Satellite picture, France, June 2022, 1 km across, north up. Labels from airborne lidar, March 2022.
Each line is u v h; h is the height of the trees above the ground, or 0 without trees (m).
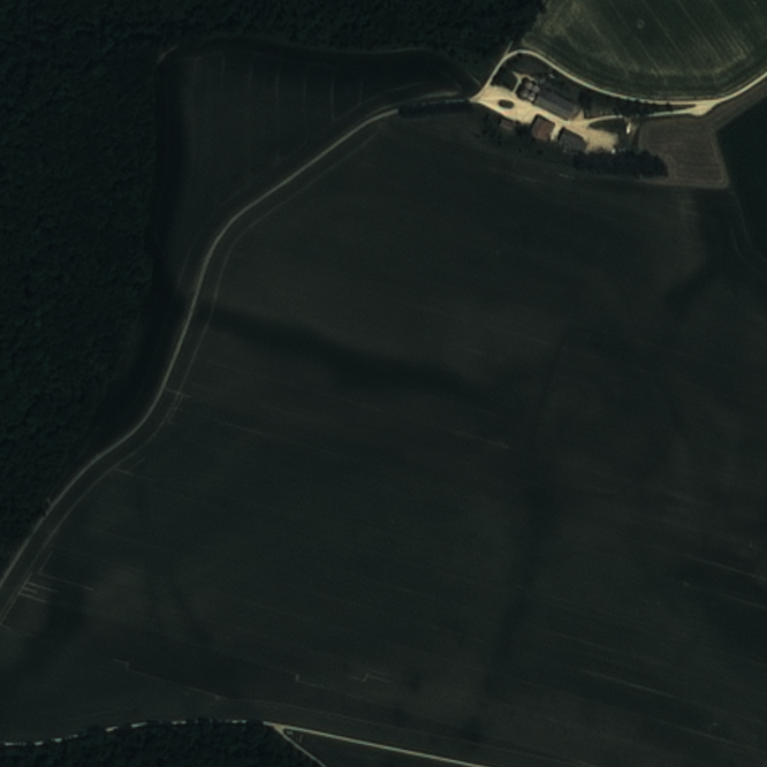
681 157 0
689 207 0
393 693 0
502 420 0
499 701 0
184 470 0
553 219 0
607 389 0
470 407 0
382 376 0
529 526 0
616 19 0
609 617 0
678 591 0
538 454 0
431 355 0
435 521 0
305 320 0
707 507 0
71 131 22
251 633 0
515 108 0
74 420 21
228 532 0
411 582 0
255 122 0
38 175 26
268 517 0
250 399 0
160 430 0
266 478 0
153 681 0
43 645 0
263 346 0
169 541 0
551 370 0
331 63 0
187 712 0
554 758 0
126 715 0
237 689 0
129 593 0
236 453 0
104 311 21
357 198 0
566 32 0
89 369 22
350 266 0
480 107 0
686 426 0
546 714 0
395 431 0
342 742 0
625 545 0
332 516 0
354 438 0
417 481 0
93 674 0
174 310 0
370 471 0
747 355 0
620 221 0
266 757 27
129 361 0
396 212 0
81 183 24
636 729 0
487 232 0
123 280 24
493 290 0
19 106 23
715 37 0
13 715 0
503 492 0
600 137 0
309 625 0
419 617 0
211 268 0
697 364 0
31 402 15
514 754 0
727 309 0
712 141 0
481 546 0
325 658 0
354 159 0
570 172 0
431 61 0
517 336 0
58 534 0
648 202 0
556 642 0
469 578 0
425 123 0
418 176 0
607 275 0
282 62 0
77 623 0
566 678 0
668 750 0
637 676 0
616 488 0
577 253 0
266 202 0
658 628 0
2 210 23
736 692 0
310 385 0
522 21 22
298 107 0
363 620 0
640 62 0
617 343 0
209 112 0
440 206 0
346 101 0
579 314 0
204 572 0
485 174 0
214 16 13
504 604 0
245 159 0
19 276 21
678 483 0
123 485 0
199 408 0
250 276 0
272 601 0
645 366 0
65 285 22
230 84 0
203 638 0
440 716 0
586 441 0
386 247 0
